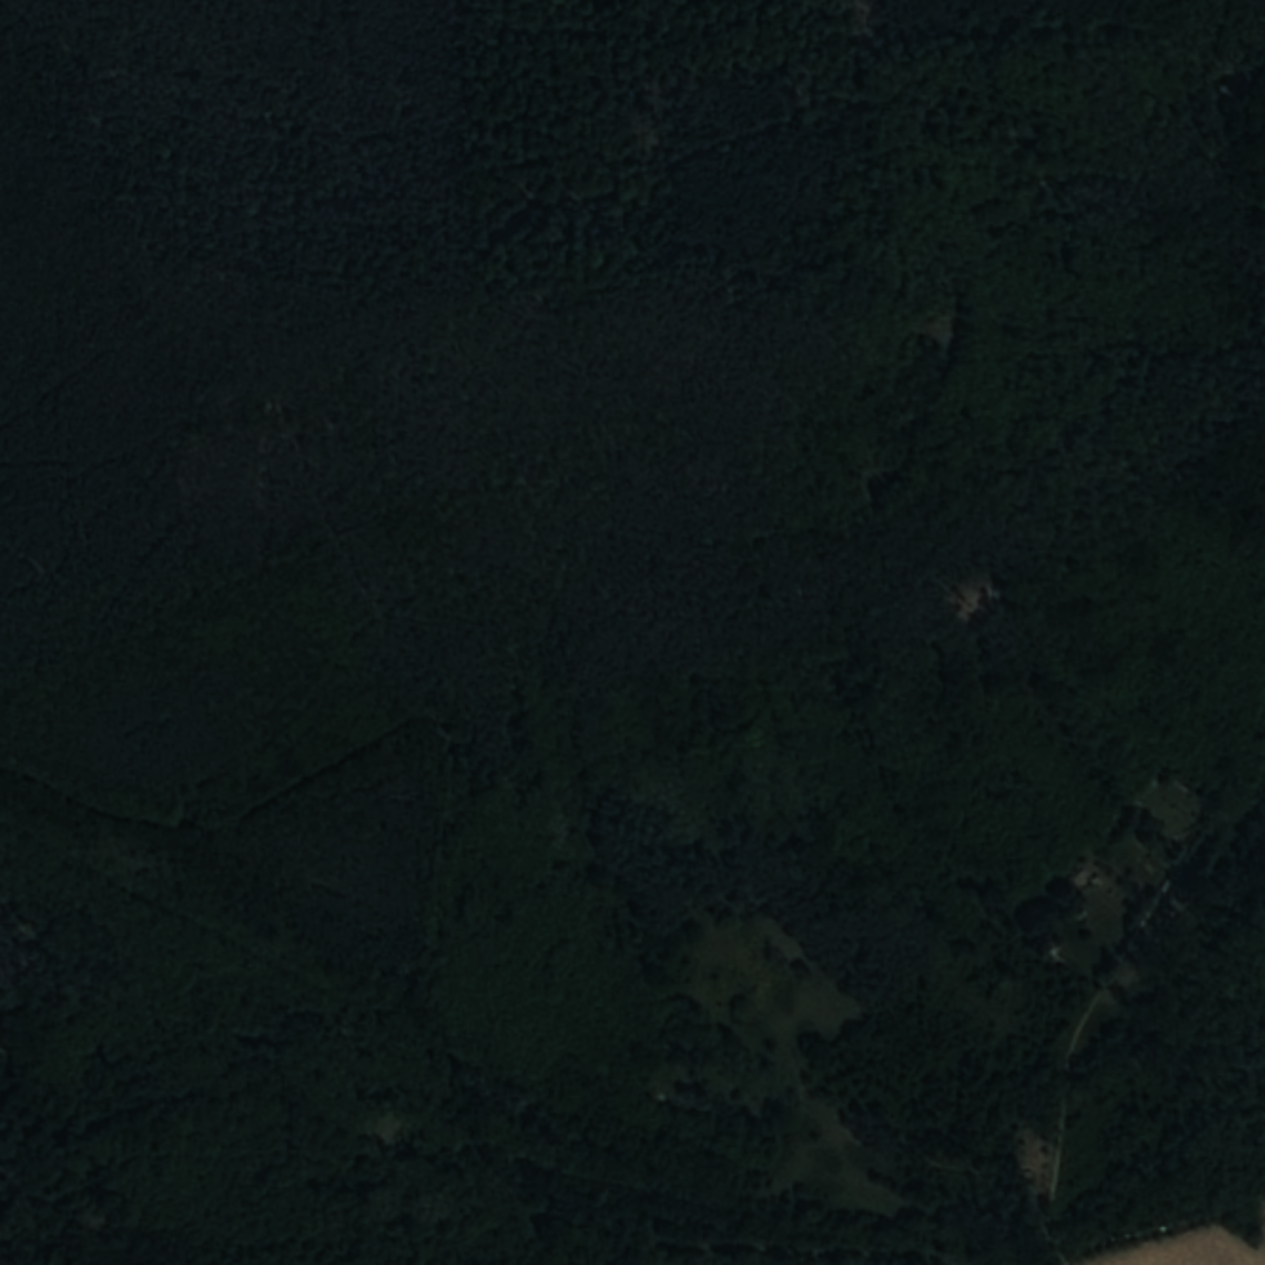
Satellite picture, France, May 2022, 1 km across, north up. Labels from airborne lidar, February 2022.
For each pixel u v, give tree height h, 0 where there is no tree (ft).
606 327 76
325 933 57
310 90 73
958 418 80
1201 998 75
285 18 76
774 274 22
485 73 85
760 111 42
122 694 54
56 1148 104
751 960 0
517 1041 82
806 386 64
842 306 65
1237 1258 0
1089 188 97
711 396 75
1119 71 78
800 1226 55
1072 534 77
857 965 66
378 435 73
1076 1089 72
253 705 38
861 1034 59
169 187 84
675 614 85
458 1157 80
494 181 100
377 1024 82
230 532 63
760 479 73
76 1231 40
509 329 65
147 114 87
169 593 58
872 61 94
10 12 65
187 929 83
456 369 71
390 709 72
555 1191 70
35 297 53
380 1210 70
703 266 72
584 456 74
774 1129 53
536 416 67
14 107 62
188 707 56
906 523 70
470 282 70
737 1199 63
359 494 70
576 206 106
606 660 73
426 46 74
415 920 73
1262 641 75
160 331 53
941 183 89
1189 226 89
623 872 94
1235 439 99
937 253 55
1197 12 65
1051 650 76
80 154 73
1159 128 79
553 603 81
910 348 38
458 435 79
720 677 80
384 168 83
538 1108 61
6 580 63
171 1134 73
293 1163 92
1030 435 82
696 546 85
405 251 99
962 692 79
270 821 65
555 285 57
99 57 70
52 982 98
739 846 96
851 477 66
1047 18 52
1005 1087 26
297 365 45
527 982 77
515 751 89
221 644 58
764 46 88
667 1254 73
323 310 57
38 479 66
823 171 43
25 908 75
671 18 91
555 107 96
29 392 57
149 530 65
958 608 60
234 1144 77
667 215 49
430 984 66
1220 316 103
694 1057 54
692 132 52
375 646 81
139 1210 74
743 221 43
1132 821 49
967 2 39
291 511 65
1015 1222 76
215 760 47
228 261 69
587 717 79
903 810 70
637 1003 79
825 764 81
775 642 94
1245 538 89
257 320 48
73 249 52
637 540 90
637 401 85
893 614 93
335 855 62
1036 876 87
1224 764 84
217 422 59
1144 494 73
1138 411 85
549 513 79
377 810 72
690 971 34
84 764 54
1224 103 100
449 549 64
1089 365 89
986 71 71
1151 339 99
